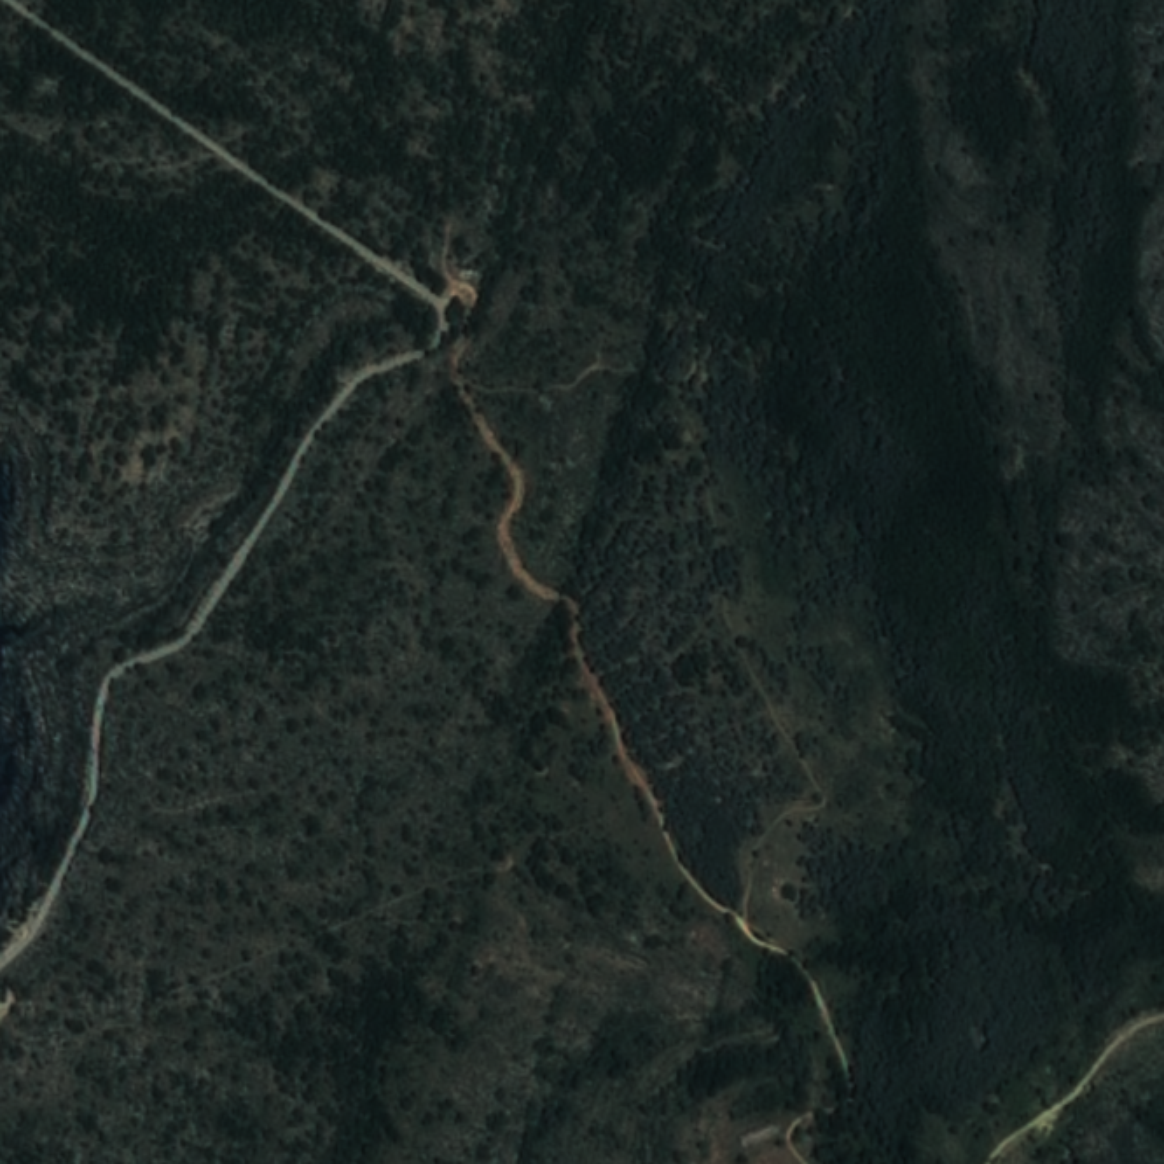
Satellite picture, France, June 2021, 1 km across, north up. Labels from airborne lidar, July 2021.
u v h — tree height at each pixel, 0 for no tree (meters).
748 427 10
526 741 6
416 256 8
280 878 0
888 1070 11
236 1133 8
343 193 7
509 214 8
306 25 6
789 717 0
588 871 9
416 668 0
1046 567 10
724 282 11
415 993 7
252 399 6
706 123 10
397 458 7
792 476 9
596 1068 6
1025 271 0
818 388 15
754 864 0
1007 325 0
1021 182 6
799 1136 6
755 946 0
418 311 8
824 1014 0
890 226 13
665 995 0
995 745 7
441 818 6
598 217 10
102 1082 7
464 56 8
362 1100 8
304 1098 7
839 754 0
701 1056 10
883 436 14
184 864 0
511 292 0
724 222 12
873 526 13
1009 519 9
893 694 7
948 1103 11
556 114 7
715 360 10
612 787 0
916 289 9
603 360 0
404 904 0
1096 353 8
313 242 6
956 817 12
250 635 6
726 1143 0
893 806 0
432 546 7
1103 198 8
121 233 6
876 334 12
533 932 7
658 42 8
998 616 11
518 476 0
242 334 6
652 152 8
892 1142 13
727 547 8
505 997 0
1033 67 10
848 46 12
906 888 8
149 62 6
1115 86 11
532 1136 9
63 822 6
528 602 0
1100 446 6
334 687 6
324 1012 7
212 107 8
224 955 0
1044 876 12
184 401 7
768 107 10
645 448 15
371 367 0
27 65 6
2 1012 0
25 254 7
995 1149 0
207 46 7
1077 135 13
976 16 6
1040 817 14
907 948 8
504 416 6
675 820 10
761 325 10
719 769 8
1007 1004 13
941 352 6
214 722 5
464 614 0
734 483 0
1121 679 10
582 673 0
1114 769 10
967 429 6
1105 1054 0
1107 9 13
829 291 12
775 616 0
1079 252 8
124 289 7
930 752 10
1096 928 13
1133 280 7
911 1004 8
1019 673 10
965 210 0
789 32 8
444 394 7
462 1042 8
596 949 0
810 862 9
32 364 7
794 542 9
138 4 6
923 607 15
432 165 9
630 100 7
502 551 0
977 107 8
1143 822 8
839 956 7
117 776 0
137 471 0
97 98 7
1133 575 8
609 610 15
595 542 12
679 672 11
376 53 5
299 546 6
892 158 14
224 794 0
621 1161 0
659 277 7
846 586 10
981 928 15
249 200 7
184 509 0
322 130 6
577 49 10
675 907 8
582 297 6
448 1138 0
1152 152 0
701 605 10
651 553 12
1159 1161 0
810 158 6
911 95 9
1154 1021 0
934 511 16
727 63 8
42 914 0
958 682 13
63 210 7
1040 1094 8
